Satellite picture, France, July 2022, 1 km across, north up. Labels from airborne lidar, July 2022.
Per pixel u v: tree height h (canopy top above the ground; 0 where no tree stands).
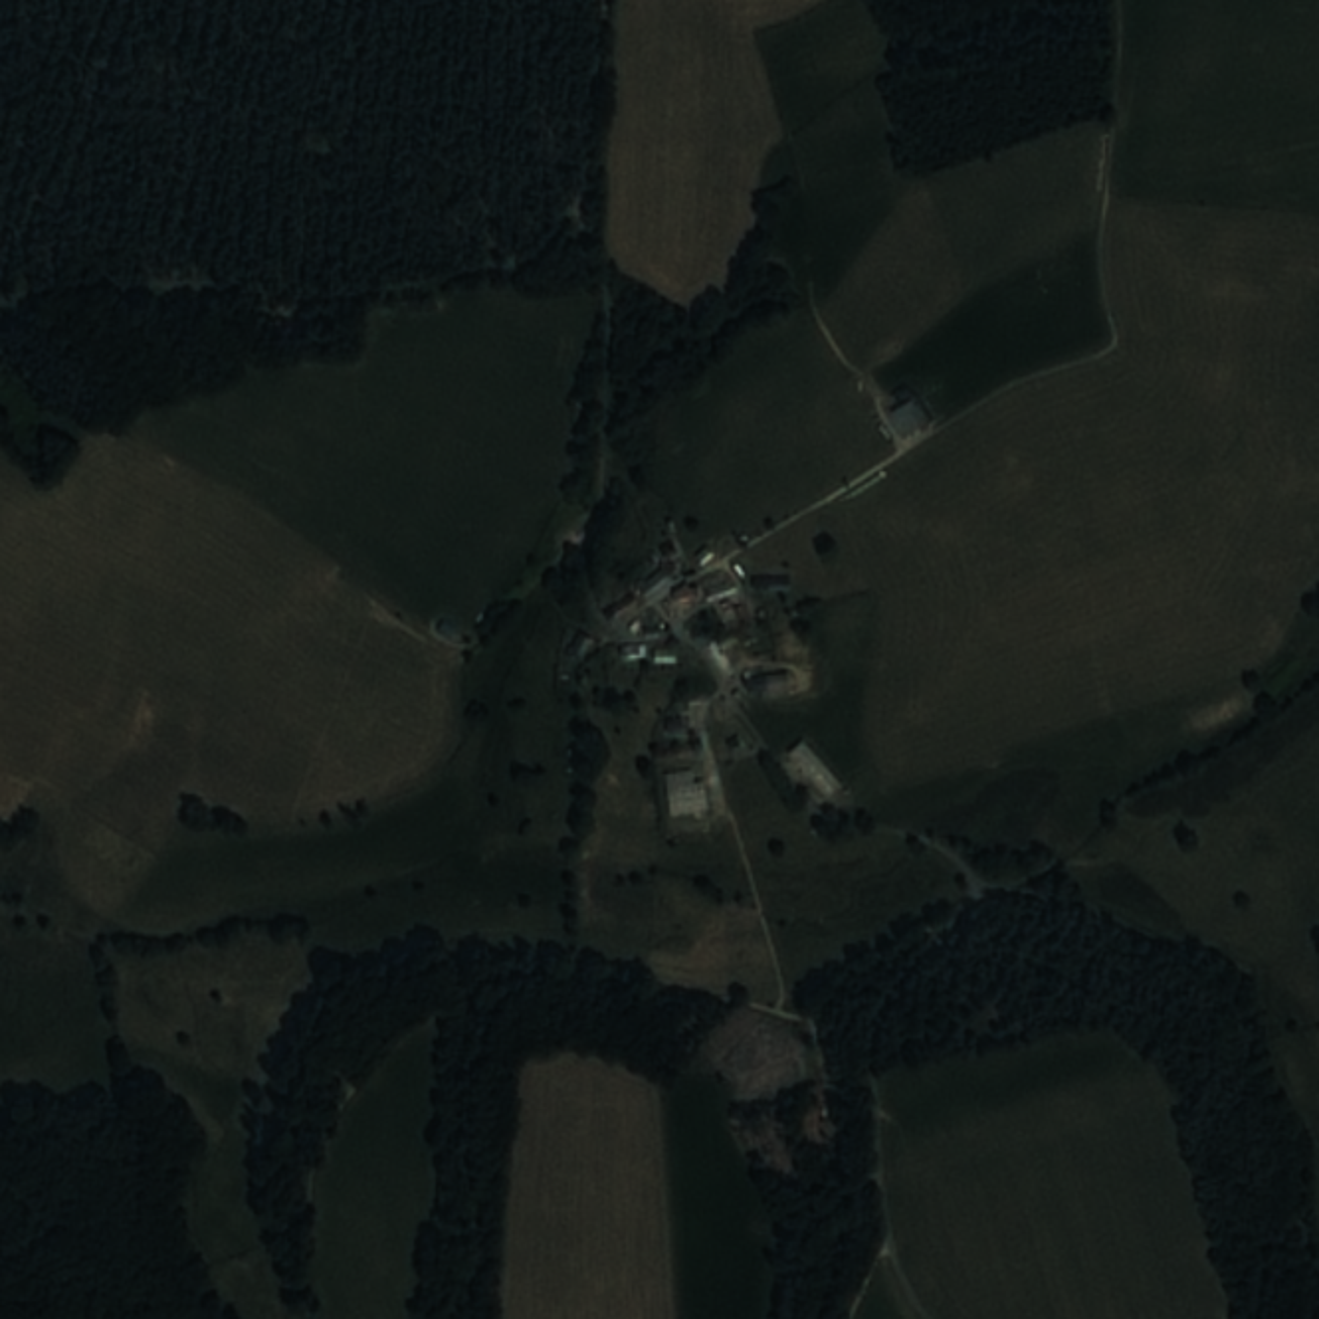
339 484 0
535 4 20
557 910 0
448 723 0
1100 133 0
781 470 0
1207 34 0
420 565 0
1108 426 0
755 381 0
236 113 21
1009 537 0
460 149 18
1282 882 0
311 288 20
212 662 0
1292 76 0
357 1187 0
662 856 0
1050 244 0
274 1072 23
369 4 23
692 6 0
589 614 0
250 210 24
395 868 0
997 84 9
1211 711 0
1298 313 0
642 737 0
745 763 0
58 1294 24
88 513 0
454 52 17
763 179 0
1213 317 0
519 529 0
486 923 0
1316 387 0
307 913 0
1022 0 24
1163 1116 0
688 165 0
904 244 0
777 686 0
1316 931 0
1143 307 0
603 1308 0
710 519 0
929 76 6
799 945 0
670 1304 0
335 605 0
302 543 0
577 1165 0
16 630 0
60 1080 0
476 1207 9
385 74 21
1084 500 0
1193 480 0
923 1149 0
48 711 0
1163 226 0
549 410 0
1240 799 0
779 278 17
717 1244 0
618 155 0
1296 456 0
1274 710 18
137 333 27
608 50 17
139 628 0
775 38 0
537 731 0
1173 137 0
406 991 26
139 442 0
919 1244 0
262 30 11
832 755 0
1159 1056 16
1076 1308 0
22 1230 22
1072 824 0
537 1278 0
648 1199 0
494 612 11
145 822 0
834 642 0
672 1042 25
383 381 0
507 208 21
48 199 17
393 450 0
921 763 0
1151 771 0
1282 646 0
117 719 0
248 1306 0
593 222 12
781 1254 15
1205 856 0
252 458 0
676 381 22
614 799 0
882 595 0
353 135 17
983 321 0
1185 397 0
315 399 0
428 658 0
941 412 0
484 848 0
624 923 0
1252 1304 18
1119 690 0
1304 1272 24
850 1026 19
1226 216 0
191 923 0
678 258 0
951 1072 0
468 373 0
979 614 0
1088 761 0
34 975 0
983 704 0
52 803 0
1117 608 0
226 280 20
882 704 0
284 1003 0
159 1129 25
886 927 0
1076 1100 0
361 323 21
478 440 0
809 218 0
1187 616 0
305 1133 21
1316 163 0
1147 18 0
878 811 0
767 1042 0
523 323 0
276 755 0
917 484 0
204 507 0
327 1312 0
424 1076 0
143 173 14
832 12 0
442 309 0
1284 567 0
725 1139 0
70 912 0
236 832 15
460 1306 15
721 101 0
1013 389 0
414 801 0
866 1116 18
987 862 13
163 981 0
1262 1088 20
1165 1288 0
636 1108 0
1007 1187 0
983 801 0
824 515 0
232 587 0
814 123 0
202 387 22
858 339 0
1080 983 6
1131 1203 0
